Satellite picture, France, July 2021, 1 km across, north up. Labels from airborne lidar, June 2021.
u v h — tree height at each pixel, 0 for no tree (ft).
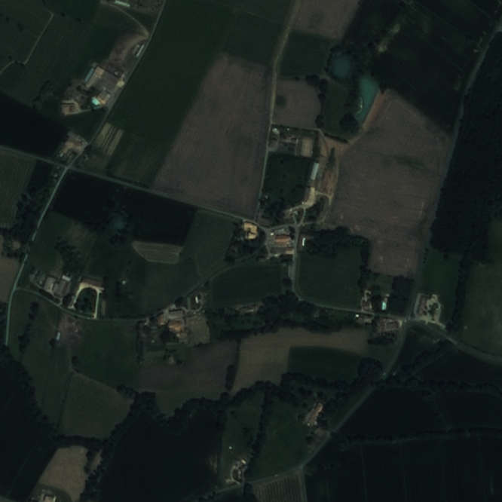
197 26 0
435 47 0
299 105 0
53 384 0
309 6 0
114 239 19
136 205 0
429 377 0
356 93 26
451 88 0
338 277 0
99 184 0
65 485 0
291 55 0
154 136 0
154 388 0
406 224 0
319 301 0
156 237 0
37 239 0
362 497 0
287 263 33
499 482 0
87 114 0
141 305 0
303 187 29
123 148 0
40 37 0
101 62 0
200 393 0
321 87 31
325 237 69
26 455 0
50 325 0
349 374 0
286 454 0
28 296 0
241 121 0
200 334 0
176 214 0
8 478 0
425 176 0
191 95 0
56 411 0
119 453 0
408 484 0
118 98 0
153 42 0
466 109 48
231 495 0
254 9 0
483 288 0
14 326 0
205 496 0
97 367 0
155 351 0
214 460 0
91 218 0
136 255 0
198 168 0
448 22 0
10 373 0
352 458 0
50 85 29
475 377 0
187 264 0
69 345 0
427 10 0
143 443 0
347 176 0
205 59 0
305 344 0
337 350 0
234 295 0
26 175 0
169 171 0
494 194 47
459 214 45
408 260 0
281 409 0
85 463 0
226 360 0
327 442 0
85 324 0
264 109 0
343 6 0
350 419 0
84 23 0
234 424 0
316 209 30
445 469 0
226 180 0
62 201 0
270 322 42
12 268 0
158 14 0
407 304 71
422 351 0
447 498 0
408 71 0
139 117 0
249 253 46
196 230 0
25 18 0
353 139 0
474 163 39
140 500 0
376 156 0
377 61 0
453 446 0
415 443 0
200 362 0
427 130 0
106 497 0
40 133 0
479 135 48
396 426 0
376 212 0
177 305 41
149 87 0
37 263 0
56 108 0
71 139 0
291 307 92
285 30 0
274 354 0
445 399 0
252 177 0
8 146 0
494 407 0
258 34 0
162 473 0
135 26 0
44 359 0
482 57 0
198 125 0
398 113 0
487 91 34
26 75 0
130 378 0
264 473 0
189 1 0
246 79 0
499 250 0
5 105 0
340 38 0
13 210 0
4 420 0
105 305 0
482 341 0
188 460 0
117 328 0
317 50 0
